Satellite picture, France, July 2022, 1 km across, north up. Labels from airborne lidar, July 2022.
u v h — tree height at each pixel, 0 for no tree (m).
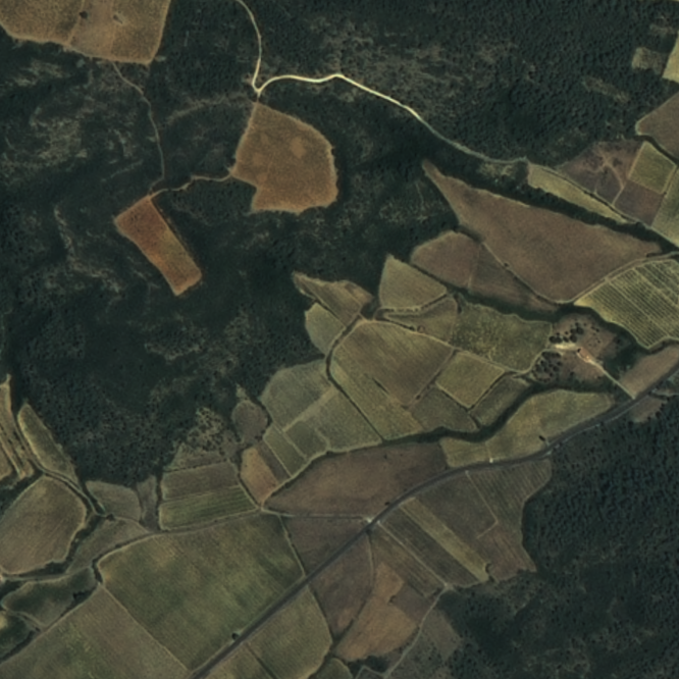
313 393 0
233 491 0
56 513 0
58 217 0
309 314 0
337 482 0
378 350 0
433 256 0
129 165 0
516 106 16
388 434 0
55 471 0
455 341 0
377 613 0
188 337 8
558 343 8
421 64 0
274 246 10
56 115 0
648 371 0
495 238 0
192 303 0
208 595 0
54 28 0
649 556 5
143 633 0
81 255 0
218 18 7
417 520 0
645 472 14
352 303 0
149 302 0
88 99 0
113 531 0
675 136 0
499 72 12
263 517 0
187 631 0
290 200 0
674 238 0
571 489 7
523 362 0
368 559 0
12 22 0
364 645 0
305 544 0
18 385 9
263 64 0
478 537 0
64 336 9
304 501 0
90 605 0
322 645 0
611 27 7
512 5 15
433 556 0
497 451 0
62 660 0
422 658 0
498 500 0
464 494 0
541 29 15
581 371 0
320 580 0
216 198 6
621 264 0
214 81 9
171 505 0
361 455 0
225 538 0
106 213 0
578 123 16
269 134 0
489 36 8
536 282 0
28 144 0
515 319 0
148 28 0
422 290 0
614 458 7
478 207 0
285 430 0
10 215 9
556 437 0
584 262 0
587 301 0
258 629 0
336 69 0
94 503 8
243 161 0
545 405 0
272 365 10
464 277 0
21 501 0
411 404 0
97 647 0
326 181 0
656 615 11
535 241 0
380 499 0
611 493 11
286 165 0
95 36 0
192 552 0
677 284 0
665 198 0
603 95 15
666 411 14
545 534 10
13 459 0
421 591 0
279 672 0
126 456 7
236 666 0
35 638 0
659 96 13
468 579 0
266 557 0
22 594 0
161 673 0
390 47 0
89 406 8
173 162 0
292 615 0
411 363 0
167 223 0
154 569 0
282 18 10
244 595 0
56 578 0
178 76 7
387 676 0
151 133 0
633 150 0
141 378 0
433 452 0
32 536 0
